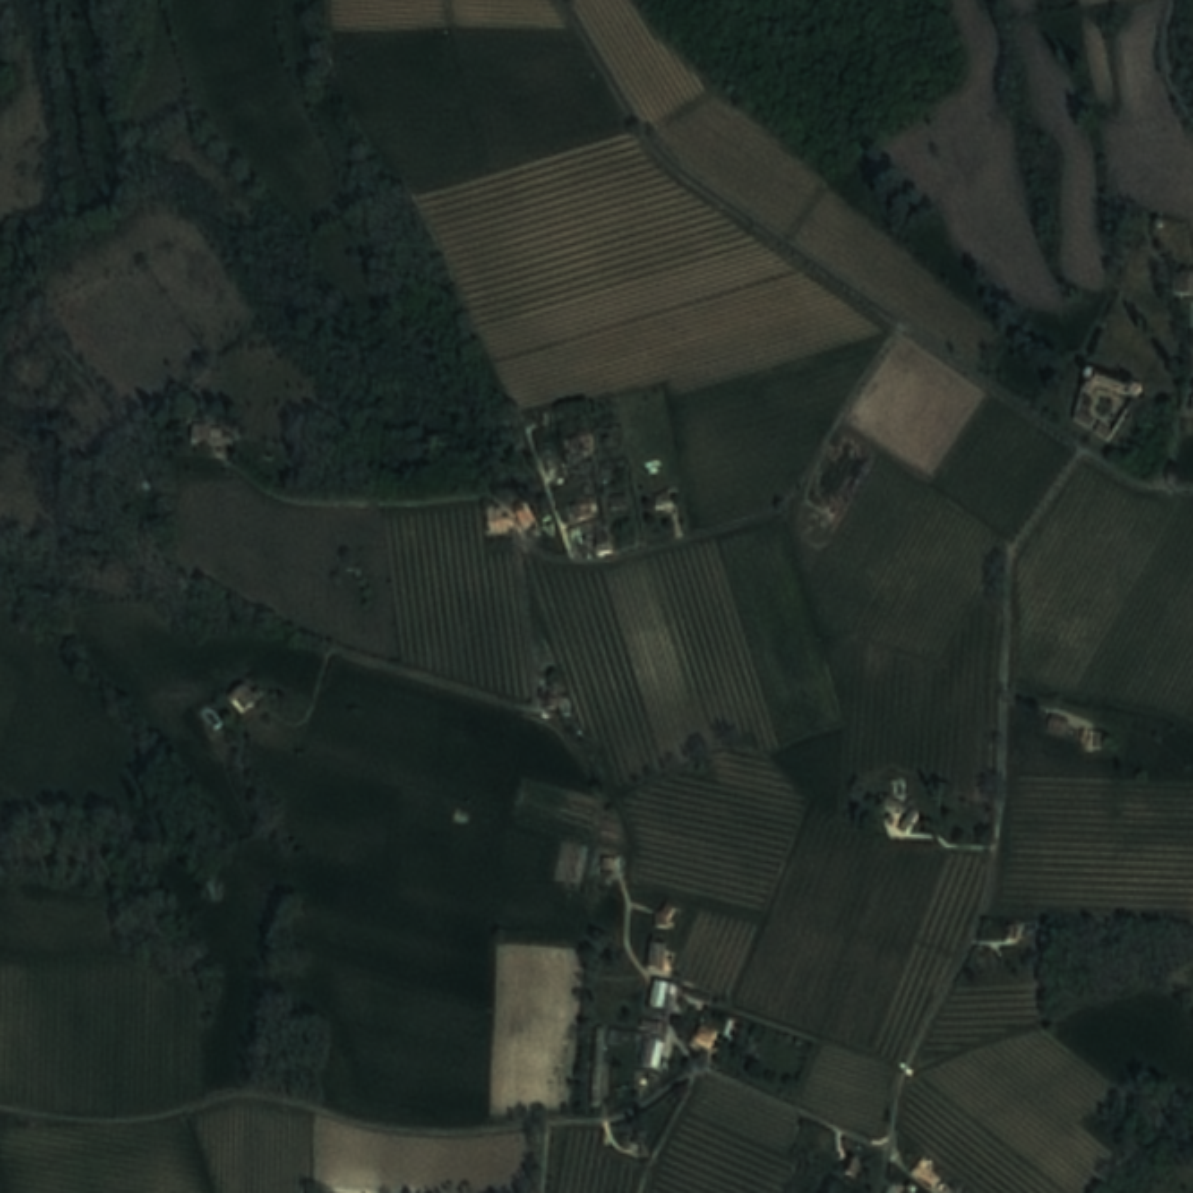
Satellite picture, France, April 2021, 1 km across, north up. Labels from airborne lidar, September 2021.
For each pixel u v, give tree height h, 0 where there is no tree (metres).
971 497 0
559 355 0
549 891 0
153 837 16
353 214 21
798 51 15
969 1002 0
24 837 22
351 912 0
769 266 0
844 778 0
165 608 14
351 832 0
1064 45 0
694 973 0
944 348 0
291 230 7
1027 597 0
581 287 0
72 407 7
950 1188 8
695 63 8
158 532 16
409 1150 0
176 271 0
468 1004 0
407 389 14
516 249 0
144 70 14
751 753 0
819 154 13
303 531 0
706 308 0
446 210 0
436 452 18
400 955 0
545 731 0
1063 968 19
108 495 18
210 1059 0
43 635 18
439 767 0
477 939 0
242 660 0
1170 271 10
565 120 0
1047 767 0
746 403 0
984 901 0
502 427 17
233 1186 0
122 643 0
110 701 17
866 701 0
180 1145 0
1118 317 0
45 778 0
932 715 0
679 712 0
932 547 0
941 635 0
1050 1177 0
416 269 24
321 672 0
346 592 0
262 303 9
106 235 11
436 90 0
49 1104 0
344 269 0
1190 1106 23
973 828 0
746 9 17
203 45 0
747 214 0
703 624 0
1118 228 12
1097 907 0
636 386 0
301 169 0
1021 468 0
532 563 0
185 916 12
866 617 0
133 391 0
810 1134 0
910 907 0
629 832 0
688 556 0
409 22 0
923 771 0
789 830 0
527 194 0
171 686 0
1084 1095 0
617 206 0
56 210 10
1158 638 0
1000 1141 0
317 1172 0
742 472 0
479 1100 0
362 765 0
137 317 0
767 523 0
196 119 13
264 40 0
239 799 0
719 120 0
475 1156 0
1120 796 0
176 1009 0
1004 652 0
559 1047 0
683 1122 0
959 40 13
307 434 24
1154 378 0
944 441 0
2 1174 0
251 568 0
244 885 0
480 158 0
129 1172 0
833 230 0
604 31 0
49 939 0
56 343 11
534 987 0
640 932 0
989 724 0
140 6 18
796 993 0
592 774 0
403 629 0
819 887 0
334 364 17
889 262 0
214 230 11
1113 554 0
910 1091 0
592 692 0
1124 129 0
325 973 0
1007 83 17
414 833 0
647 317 0
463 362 20
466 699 0
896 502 0
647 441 0
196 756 0
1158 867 0
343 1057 0
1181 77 13
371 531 0
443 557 0
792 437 0
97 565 14
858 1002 0
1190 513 0
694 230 0
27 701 0
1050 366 22
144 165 17
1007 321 28
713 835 0
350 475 22
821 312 0
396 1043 0
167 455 18
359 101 0
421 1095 0
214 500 0
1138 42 0
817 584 0
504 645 0
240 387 0
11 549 22
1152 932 19
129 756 0
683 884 0
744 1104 0
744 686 0
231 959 0
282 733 0
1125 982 22
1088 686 0
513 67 0
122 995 0
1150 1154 17
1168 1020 0
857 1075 0
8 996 0
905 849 0
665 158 0
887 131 13
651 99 0
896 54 22
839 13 20
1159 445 14
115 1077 0
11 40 22
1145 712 0
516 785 0
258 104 0
